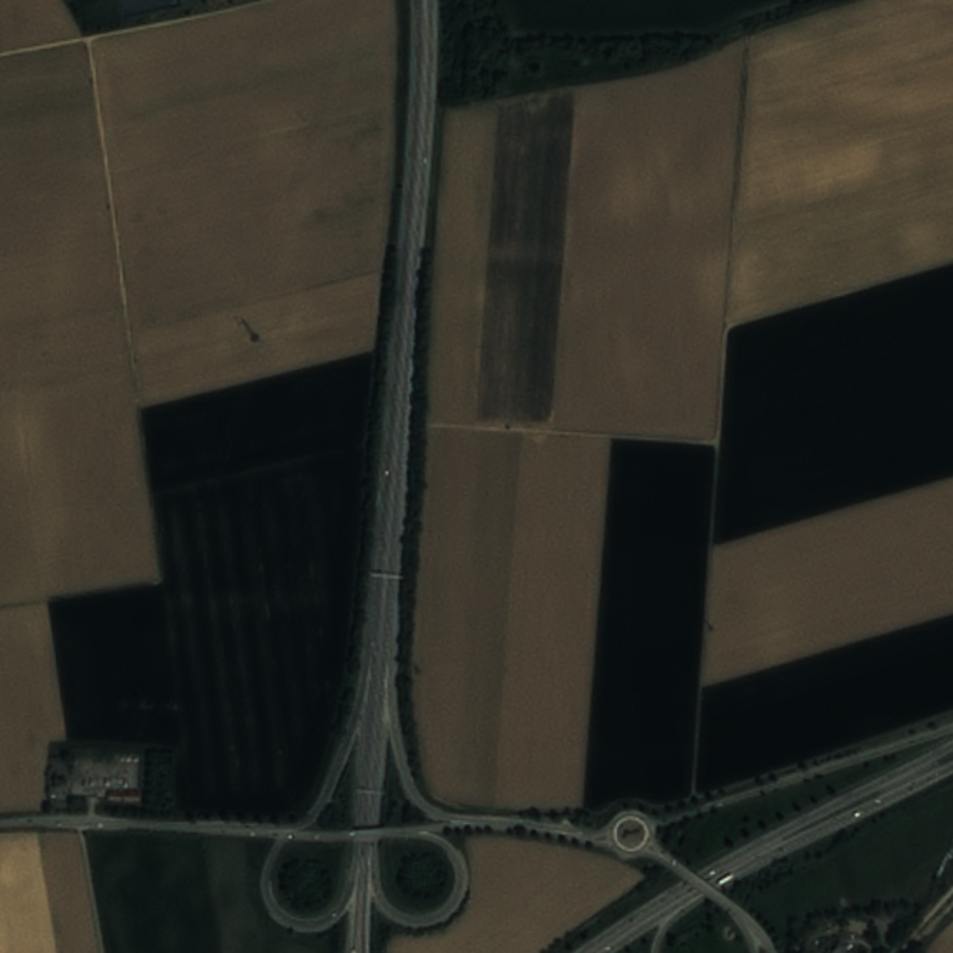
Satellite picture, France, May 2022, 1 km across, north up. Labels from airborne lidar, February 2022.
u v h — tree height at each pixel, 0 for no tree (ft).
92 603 0
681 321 0
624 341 0
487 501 0
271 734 0
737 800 0
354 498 0
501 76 47
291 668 0
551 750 0
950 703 0
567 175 0
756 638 0
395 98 0
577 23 0
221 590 0
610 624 0
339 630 0
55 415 0
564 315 0
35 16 0
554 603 0
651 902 0
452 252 0
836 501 0
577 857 0
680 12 0
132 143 0
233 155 0
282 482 0
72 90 0
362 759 0
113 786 0
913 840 0
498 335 0
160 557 0
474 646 0
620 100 0
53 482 0
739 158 0
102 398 0
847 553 0
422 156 0
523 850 0
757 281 0
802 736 0
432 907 0
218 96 0
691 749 0
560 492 0
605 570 0
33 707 0
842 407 0
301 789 0
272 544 0
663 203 0
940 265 0
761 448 0
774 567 0
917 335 0
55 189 0
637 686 0
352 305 0
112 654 0
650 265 0
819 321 0
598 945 0
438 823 0
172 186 0
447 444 0
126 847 0
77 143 0
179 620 0
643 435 0
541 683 0
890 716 0
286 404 0
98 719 0
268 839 0
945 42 0
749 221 0
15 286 0
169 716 0
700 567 0
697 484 0
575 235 0
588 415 0
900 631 0
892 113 0
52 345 0
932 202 0
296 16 0
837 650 0
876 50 0
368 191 0
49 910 0
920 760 0
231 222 0
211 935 0
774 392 0
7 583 0
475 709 0
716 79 0
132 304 0
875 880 0
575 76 0
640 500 0
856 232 0
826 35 0
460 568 0
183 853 0
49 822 0
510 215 0
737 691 0
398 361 0
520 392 0
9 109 0
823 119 0
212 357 0
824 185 0
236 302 0
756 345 0
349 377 0
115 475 0
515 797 0
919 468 0
